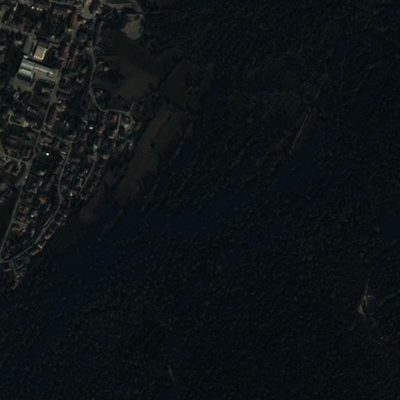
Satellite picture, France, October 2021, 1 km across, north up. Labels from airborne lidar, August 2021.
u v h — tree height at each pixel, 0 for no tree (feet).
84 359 48
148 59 0
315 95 0
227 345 67
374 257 19
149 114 49
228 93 54
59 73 0
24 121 0
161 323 61
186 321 25
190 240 73
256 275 76
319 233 59
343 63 66
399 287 52
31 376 83
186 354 94
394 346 44
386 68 86
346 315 22
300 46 68
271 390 60
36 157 0
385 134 87
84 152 0
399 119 28
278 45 79
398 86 72
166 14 19
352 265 18
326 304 33
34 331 75
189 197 73
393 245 74
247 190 32
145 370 38
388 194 26
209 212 27
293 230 76
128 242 80
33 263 23
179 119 0
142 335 38
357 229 19
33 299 27
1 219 0
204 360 68
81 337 45
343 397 27
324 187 40
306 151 0
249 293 68
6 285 26
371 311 24
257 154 25
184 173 67
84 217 0
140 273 30
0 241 24
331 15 21
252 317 55
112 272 87
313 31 50
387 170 66
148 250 26
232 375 50
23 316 42
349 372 25
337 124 70
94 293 73
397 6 19
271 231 69
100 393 63
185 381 55
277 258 69
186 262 53
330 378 32
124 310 28
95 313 30
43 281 27
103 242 61
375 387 20
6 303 0
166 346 38
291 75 61
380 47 66
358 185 95
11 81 0
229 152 33
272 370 57
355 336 43
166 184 82
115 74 0
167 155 0
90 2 0
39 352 27
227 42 31
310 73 73
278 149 35
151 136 0
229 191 27
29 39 0
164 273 25
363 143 102
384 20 48
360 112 91
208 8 62
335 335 25
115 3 0
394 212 22
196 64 29
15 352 62
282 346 60
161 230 99
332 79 57
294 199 84
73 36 0
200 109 0
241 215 85
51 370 79
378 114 59
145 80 0
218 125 69
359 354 34
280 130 22
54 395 65
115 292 28
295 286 77
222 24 46
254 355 73
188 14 54
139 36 0
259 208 82
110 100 31
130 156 0
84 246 0
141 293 56
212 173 32
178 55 0
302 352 49
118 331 39
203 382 50
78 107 41
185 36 27
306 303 73
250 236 41
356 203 92
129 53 0
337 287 23
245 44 30
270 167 71
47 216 45
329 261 62
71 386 73
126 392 51
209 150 63
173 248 50
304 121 0
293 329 83
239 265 74
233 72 43
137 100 0
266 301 39
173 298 50
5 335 61
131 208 0
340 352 57
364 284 18
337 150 69
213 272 20
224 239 27
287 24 70
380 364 28
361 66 69
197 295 92
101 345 55
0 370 38
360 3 70
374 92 104
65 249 0
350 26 69
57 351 91
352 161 59
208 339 74
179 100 0
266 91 70
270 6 52
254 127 22
